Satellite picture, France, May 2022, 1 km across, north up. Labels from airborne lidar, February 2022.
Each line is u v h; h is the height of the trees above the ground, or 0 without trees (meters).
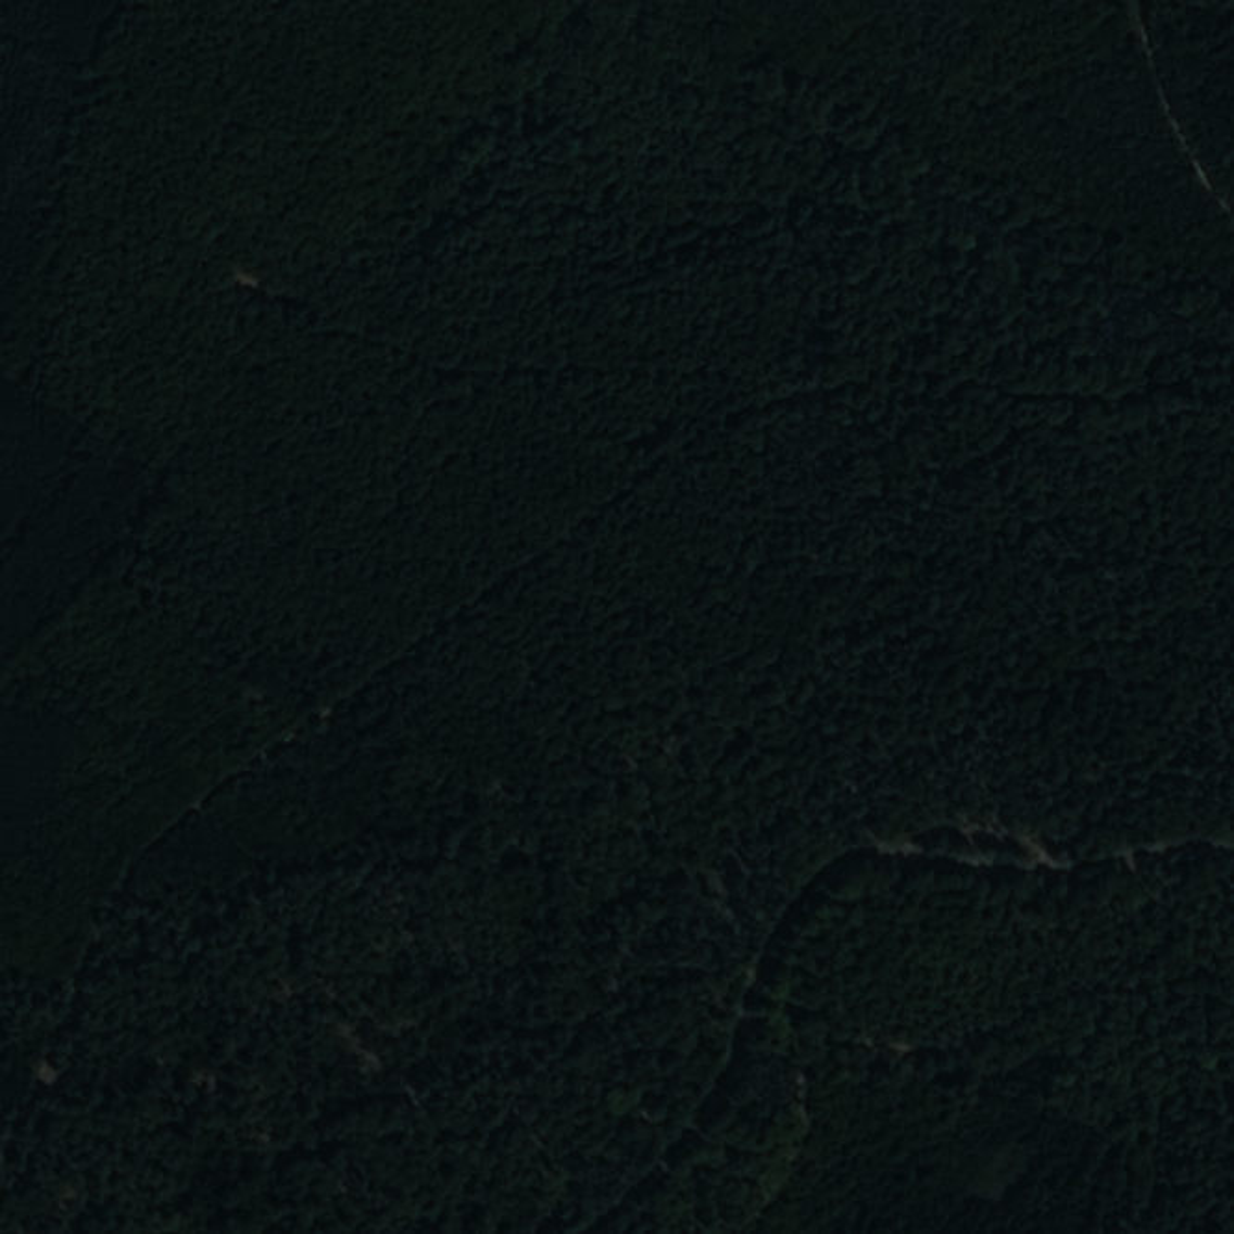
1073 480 30
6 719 16
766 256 33
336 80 27
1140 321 31
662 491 22
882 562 25
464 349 25
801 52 20
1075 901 31
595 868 33
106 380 22
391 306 27
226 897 10
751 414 25
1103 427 28
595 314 27
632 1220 23
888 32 24
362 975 31
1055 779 26
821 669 31
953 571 27
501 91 26
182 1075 11
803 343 8
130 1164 32
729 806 33
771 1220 16
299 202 25
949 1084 29
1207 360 34
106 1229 33
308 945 32
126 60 23
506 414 26
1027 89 14
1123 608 22
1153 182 17
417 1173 34
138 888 9
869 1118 11
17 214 16
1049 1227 17
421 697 23
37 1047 15
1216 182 17
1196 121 12
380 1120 31
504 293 21
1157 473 28
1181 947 32
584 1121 34
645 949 33
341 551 22
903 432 27
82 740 13
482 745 25
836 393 22
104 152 21
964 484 34
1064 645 13
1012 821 29
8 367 15
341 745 17
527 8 25
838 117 39
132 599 12
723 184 28
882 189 28
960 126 21
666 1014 36
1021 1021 23
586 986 8
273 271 23
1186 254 14
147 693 9
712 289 24
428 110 27
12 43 8
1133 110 13
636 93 29
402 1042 8
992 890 34
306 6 23
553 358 28
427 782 22
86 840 13
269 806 11
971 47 25
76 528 16
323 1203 32
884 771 32
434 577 25
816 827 34
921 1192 18
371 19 25
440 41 27
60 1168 28
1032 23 28
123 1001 29
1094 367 30
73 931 11
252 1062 34
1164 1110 30
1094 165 14
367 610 27
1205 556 31
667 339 27
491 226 33
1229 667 26
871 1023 29
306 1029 30
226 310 22
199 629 14
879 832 33
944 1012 22
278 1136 30
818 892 14
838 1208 14
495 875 31
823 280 32
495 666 24
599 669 25
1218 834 29
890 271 32
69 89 14
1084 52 17
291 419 27
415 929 30
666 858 29
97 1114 25
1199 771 26
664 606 25
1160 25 9
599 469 25
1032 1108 14
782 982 32
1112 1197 21
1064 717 32
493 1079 35
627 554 25
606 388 25
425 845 27
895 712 28
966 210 34
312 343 27
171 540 21
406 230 32
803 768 32
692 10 23
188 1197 30
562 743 24
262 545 27
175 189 21
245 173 24
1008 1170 0
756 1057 35
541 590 24
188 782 12
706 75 27
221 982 31
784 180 30
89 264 23
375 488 26
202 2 25
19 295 13
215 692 9
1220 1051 31
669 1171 30
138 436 23
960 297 36
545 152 27
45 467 14
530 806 29
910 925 30
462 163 27
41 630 19
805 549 27
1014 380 35
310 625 25
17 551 16
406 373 28
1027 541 25
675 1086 32
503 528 25
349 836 9
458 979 33
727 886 37
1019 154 18
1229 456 33
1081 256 25
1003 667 36
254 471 27
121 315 25
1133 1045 36
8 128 16
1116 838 26
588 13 25
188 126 22
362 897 31
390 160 30
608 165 28
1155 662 26
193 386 22
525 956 14
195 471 24
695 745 29
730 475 27
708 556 24
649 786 31
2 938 13
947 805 35
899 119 23
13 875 12
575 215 27
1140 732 27
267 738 7
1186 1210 34
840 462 10
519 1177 30
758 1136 33
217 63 24
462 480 25
